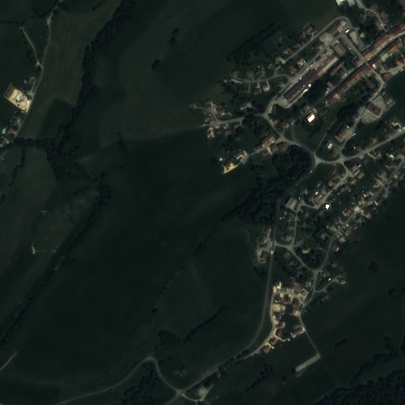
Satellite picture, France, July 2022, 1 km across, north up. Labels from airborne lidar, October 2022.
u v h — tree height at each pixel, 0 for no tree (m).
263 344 0
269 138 0
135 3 16
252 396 0
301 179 15
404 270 0
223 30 0
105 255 0
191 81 0
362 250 0
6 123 7
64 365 0
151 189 0
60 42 0
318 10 0
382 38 0
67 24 0
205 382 6
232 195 0
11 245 0
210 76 0
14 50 0
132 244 0
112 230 0
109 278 0
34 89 0
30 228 0
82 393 0
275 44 0
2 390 0
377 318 0
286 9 0
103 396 0
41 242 0
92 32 0
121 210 0
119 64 0
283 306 0
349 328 0
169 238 0
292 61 11
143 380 10
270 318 0
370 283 0
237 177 0
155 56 0
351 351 0
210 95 0
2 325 0
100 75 0
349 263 0
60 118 0
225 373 11
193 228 0
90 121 0
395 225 0
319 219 14
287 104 0
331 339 0
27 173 0
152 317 0
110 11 0
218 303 0
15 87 0
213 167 0
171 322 0
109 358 0
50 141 6
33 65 11
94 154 0
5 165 0
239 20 0
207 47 0
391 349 21
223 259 0
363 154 0
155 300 0
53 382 0
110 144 0
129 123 0
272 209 12
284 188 19
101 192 7
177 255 0
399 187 6
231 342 0
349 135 0
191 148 0
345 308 0
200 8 0
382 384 16
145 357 0
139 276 0
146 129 0
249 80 0
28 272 0
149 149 0
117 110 0
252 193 0
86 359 0
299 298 0
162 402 6
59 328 0
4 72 0
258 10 0
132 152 0
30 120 0
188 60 0
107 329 0
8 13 0
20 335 0
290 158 23
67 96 0
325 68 0
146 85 0
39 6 0
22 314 12
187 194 0
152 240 0
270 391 0
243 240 0
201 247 11
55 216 0
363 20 0
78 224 0
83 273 0
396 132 0
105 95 0
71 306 0
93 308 0
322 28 0
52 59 0
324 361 0
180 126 0
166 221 0
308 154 12
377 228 0
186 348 0
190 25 0
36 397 0
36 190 0
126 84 0
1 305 0
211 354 0
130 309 0
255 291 0
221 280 0
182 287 0
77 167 11
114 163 0
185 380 0
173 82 0
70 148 0
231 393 0
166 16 0
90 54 22
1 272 0
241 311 0
